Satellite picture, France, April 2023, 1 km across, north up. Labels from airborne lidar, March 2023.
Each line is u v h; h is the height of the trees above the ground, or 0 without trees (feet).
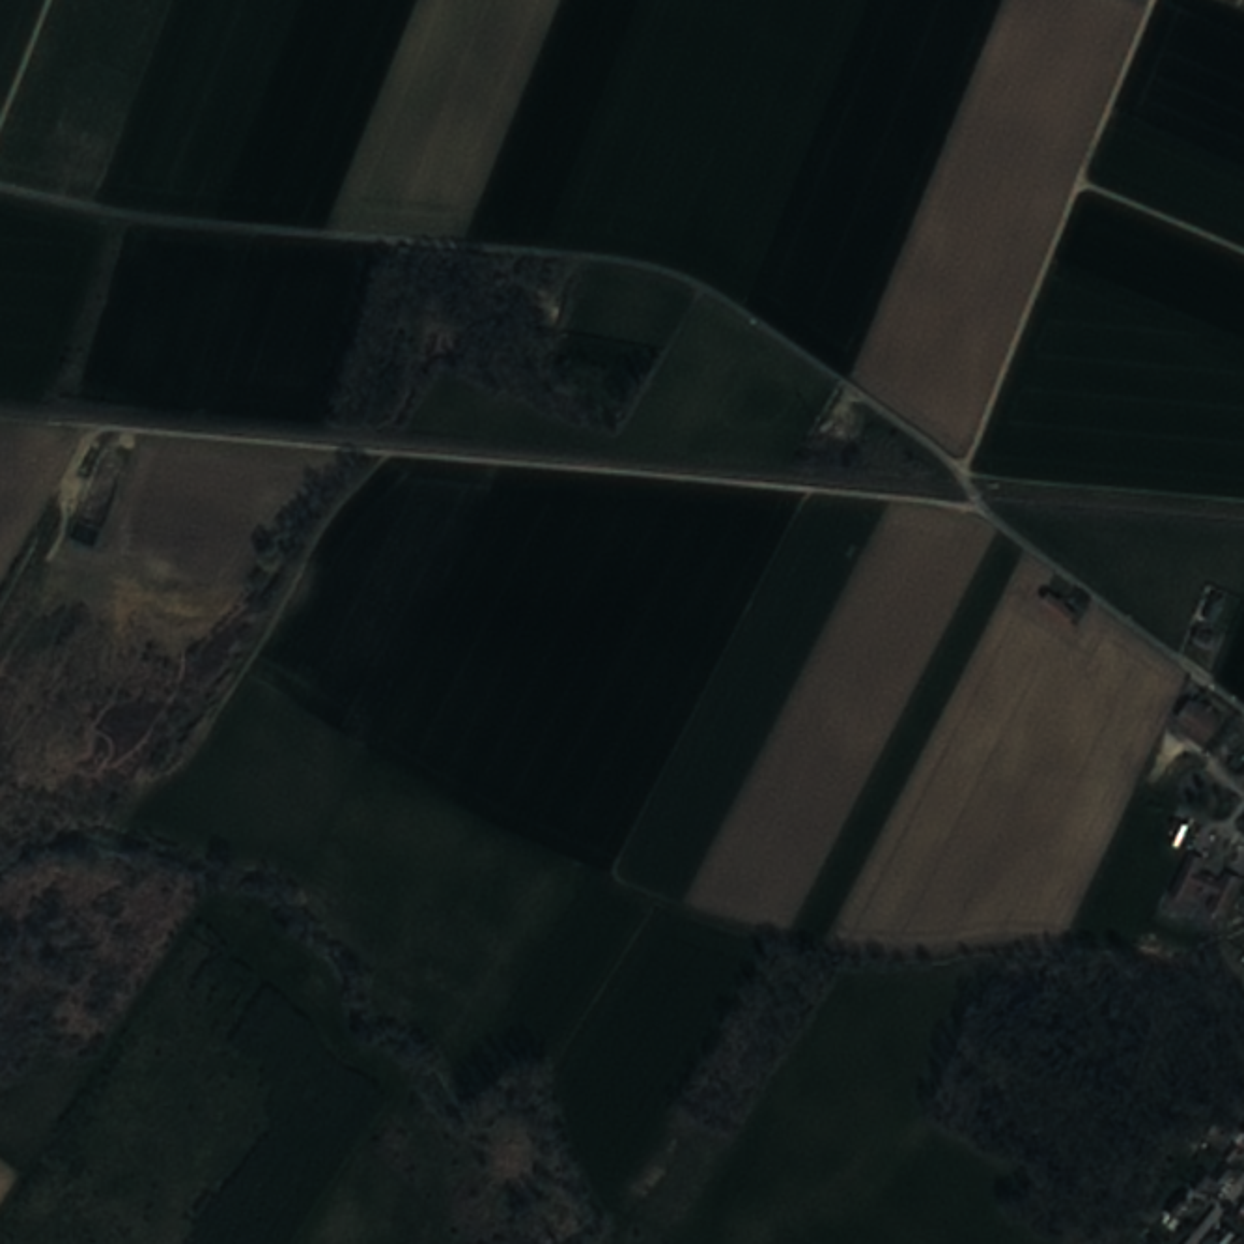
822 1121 0
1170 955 0
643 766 0
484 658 0
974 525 0
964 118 0
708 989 0
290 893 56
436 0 0
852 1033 0
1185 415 0
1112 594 0
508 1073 110
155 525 0
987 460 0
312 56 0
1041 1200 68
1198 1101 62
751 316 0
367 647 0
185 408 0
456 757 0
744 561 0
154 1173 0
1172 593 0
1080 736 0
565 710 0
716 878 0
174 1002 0
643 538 0
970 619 0
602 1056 0
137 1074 0
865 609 0
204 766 0
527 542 0
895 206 0
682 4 0
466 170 0
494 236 0
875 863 0
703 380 0
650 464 0
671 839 0
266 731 0
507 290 22
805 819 0
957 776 0
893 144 0
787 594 0
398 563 0
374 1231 0
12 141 0
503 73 0
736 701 0
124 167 0
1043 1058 109
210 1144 0
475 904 0
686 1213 0
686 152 0
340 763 0
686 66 0
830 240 0
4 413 0
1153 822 0
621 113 0
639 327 0
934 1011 0
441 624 0
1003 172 0
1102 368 0
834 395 0
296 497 0
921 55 0
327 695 0
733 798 0
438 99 0
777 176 0
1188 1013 70
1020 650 0
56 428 0
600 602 0
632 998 0
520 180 0
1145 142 0
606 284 0
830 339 0
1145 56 0
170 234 0
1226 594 0
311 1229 0
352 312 0
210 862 20
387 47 0
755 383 0
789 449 0
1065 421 0
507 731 0
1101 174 0
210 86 0
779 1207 0
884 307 0
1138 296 0
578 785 0
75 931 52
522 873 0
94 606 0
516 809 0
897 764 0
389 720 0
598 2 0
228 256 0
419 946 0
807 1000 68
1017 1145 81
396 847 0
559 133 0
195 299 0
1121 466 0
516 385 52
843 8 0
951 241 0
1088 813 0
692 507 0
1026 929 0
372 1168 0
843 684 0
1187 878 0
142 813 0
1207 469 0
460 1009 0
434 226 0
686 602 0
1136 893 0
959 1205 0
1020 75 0
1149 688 0
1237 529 0
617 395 60
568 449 0
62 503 0
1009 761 0
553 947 0
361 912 0
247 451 0
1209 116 0
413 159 0
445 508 0
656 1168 0
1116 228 0
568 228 0
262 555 55
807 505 0
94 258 0
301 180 0
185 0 0
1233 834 0
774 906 0
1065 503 0
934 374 0
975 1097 116
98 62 0
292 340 0
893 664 0
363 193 0
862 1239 0
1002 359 0
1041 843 0
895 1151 0
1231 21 0
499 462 0
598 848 0
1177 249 0
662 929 0
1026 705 0
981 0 0
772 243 0
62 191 0
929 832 0
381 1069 0
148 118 0
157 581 0
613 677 0
